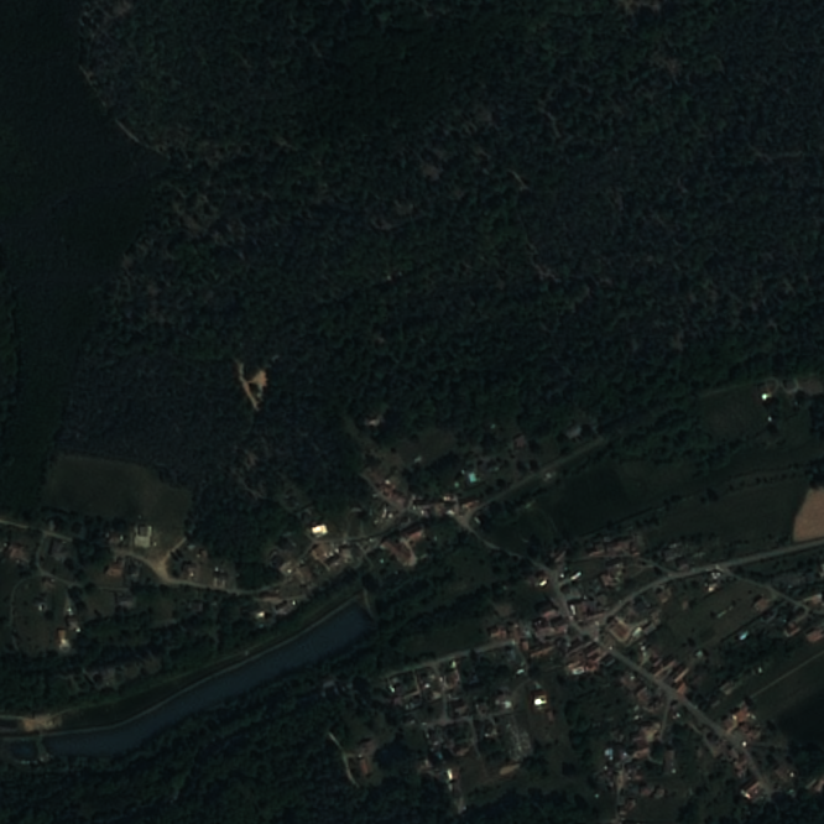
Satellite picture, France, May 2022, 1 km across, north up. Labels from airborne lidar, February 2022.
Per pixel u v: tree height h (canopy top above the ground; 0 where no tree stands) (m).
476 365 10
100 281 13
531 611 0
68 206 12
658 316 8
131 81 21
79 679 12
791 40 25
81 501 0
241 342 29
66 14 16
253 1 19
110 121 18
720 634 0
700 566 0
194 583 0
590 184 28
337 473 18
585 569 0
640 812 0
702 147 8
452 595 0
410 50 25
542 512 0
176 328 7
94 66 23
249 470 16
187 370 12
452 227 24
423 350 11
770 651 12
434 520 11
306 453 22
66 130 12
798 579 0
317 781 23
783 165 9
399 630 10
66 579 0
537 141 27
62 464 0
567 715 10
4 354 14
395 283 22
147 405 11
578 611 0
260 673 0
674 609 0
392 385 28
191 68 21
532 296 27
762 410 0
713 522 0
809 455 0
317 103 23
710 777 7
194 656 18
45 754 0
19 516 9
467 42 29
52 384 13
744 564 0
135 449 21
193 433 17
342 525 0
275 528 20
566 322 10
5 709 18
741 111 24
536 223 24
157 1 24
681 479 0
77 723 0
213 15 24
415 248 25
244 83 20
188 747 10
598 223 26
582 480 0
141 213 9
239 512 22
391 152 22
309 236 26
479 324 15
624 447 17
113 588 0
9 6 14
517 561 8
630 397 15
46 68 14
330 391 22
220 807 26
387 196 17
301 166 24
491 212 25
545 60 27
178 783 23
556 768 0
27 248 14
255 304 25
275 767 28
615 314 9
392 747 0
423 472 16
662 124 23
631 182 25
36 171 10
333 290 26
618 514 0
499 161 27
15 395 20
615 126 26
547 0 29
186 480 19
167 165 15
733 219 31
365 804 22
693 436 18
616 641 0
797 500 0
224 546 17
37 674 14
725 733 0
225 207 7
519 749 0
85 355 16
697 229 27
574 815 30
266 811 17
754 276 29
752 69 21
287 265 24
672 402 15
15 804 17
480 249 26
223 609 10
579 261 26
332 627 0
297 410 20
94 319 10
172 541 0
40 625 0
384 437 24
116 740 0
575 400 26
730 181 31
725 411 0
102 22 23
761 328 21
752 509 0
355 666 24
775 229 28
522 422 20
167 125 20
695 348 20
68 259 14
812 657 0
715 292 31
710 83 26
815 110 27
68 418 22
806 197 23
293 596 0
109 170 14
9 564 0
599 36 31
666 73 9
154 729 0
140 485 0
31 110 13
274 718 25
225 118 21
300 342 20
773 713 0
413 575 10
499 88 31
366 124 28
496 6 29
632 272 10
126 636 18
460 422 23
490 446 15
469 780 0
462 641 0
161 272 7
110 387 15
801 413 8
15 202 10
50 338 12
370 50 29
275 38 26
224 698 0
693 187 22
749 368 19
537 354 12
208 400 10
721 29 25
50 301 12
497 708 0
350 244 22
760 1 26
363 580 0
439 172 28
